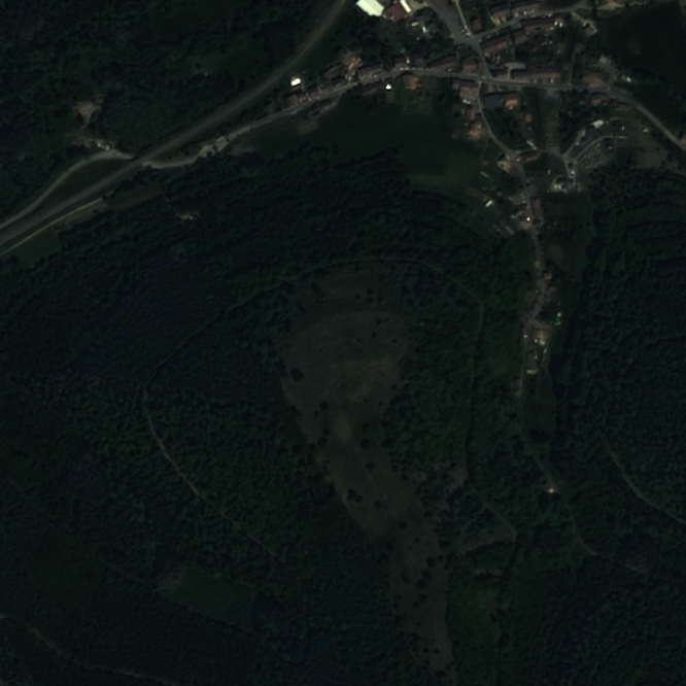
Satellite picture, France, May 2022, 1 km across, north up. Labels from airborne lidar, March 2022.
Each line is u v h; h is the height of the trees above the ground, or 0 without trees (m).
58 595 15
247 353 19
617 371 20
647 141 0
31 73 32
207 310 17
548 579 13
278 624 35
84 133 0
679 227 10
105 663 13
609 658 12
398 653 16
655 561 30
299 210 20
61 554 14
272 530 23
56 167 27
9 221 0
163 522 28
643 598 12
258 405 12
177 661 12
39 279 11
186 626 14
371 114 9
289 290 19
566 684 22
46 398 36
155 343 19
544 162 0
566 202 0
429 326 12
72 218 0
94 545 14
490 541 0
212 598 0
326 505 20
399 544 0
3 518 14
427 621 0
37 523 21
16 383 23
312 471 24
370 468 12
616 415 24
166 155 0
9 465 16
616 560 7
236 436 23
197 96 17
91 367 24
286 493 19
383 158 11
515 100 0
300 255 14
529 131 0
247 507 19
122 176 0
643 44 0
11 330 9
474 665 12
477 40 0
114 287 8
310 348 0
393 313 0
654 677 17
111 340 20
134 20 29
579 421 33
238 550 26
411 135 0
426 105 0
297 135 0
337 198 8
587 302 20
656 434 20
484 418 21
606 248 13
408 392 12
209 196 10
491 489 18
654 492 19
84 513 19
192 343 14
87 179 0
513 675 8
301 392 0
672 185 6
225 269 18
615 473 22
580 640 31
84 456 30
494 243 6
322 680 22
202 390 17
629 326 21
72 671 15
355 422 0
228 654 18
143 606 14
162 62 20
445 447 15
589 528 9
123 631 15
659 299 19
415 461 14
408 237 11
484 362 13
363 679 21
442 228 9
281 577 23
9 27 27
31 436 15
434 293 19
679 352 18
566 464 30
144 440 16
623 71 20
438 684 11
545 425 0
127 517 27
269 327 13
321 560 18
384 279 8
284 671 27
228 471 19
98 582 17
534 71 0
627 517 25
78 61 14
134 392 25
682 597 15
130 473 24
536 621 11
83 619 12
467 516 11
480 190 0
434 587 0
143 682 9
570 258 0
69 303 16
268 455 22
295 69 0
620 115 0
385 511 0
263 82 0
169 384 16
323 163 8
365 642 16
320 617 9
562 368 26
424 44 10
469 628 12
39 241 0
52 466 8
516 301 15
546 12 0
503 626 9
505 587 15
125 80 21
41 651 13
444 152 0
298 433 13
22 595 14
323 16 0
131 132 25
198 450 22
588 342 28
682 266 29
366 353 0
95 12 12
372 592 9
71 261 8
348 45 0
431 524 0
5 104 8
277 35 31
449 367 9
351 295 0
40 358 16
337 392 0
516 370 0
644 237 8
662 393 13
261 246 21
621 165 0
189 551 19
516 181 6
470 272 20
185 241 18
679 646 23
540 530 28
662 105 0
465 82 0
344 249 14
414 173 0
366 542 11
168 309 19
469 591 10
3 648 21
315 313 0
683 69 0
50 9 14
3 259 0
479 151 0
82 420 24
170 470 20
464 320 8
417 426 14
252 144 0
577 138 0
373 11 0
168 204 10
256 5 14
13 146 30
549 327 0
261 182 6
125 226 11
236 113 0
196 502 20
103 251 12
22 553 18
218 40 20
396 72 0
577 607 8
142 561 19
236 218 12
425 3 0
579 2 0
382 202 14
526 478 30
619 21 0
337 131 0
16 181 21
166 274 18
